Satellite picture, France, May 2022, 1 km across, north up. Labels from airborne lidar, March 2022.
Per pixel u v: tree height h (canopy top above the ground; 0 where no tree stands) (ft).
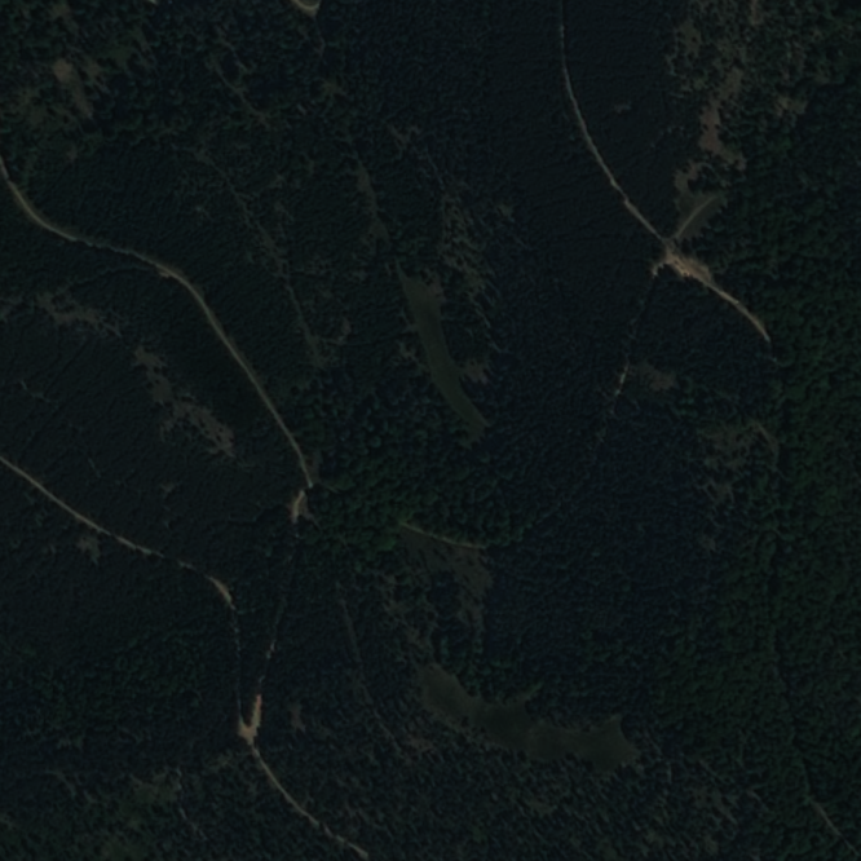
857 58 23
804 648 99
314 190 34
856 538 111
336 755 90
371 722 91
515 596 92
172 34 96
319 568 63
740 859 52
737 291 101
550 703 55
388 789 84
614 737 0
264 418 36
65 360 32
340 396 118
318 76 100
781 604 104
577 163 54
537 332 96
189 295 39
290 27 51
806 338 98
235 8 20
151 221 43
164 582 57
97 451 28
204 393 33
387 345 39
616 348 69
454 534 83
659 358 42
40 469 42
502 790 84
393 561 88
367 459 97
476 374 0
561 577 99
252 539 59
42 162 26
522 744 0
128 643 58
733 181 37
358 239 29
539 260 63
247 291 32
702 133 37
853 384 77
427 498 85
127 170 33
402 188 33
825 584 96
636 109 50
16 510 40
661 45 44
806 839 71
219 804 93
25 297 31
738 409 26
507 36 57
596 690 84
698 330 57
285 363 31
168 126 82
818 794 102
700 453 56
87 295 39
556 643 87
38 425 39
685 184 0
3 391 36
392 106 98
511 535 94
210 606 63
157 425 31
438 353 0
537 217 51
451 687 0
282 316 30
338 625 33
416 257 35
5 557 35
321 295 24
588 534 75
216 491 45
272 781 0
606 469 73
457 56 77
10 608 55
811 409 100
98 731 50
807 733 104
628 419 74
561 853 78
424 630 29
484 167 84
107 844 0
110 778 106
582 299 56
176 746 42
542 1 46
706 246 55
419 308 0
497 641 93
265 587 68
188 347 49
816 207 73
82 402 42
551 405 81
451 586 85
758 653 103
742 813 58
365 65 84
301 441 52
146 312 38
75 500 41
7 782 30
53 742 38
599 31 51
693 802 31
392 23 89
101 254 45
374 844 96
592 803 70
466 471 78
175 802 0
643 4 38
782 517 95
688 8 17
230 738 35
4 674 54
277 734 35
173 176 37
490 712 0
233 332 42
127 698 87
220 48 27
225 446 0
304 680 20
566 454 100
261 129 20
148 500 38
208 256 44
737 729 51
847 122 77
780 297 96
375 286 32
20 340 44
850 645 78
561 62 31
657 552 79
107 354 41
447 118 73
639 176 52
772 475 62
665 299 48
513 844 105
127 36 32
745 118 53
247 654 60
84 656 78
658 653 58
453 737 40
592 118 46
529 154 46
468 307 33
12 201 42
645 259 25
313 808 28
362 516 93
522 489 96
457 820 104
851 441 100
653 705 85
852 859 39
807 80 37
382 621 30
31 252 40
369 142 24
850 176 75
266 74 24
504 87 47
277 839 83
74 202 32
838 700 99
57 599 51
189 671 73
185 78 30
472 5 83
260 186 28
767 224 77
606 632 39
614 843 96
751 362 75
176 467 34
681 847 29
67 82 0
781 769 89
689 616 65
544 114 46
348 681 100
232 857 101
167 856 96
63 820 108
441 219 23
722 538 53
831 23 104
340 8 79
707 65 34
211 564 58
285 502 54
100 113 88
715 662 77
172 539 37
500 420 72
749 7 21
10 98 108
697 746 76
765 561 83
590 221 31
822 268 74
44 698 85
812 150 73
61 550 30
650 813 97
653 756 47
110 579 56
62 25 35
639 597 84
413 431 102
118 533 44
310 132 36
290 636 53
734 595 88
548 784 89
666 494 71
